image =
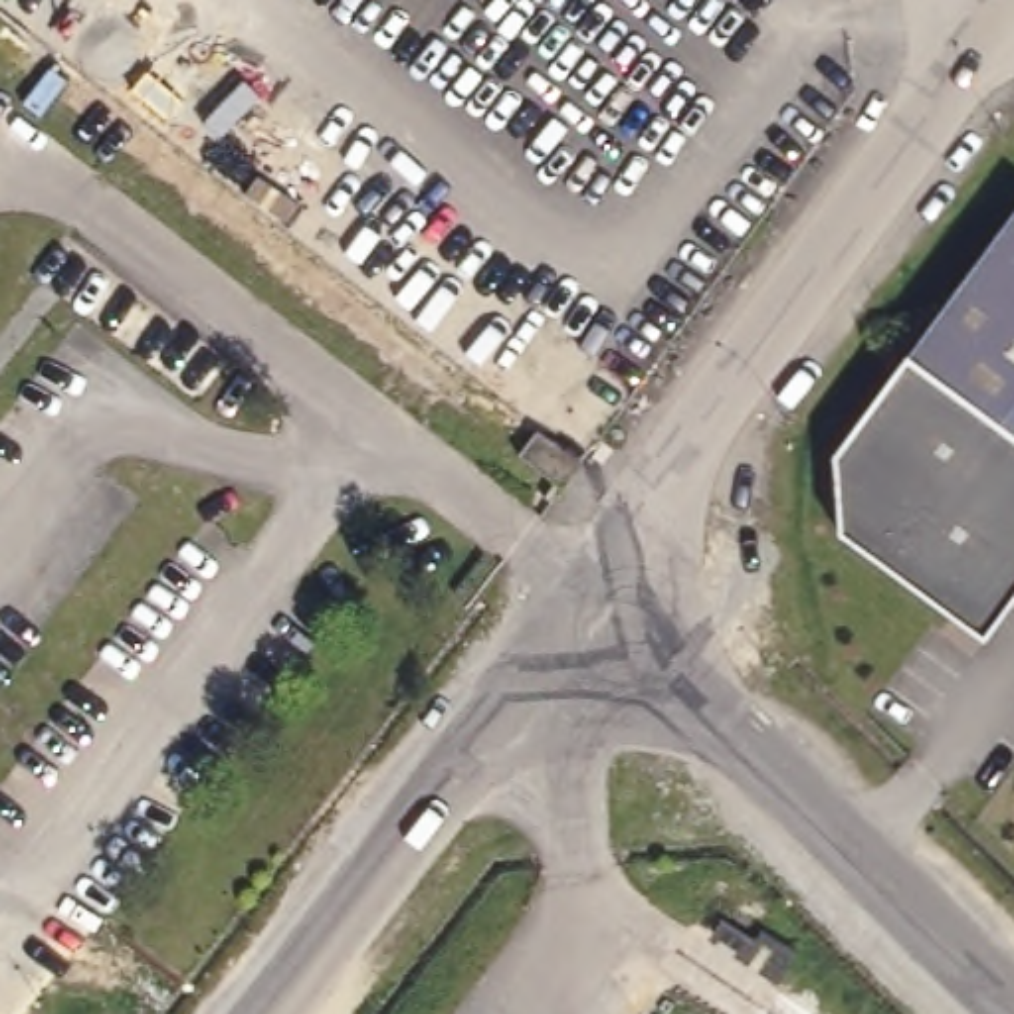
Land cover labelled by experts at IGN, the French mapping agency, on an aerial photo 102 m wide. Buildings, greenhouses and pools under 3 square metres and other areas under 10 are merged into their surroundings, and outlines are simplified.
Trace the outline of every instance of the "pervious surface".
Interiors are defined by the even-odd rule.
[[[990,804],[978,820],[1014,820],[1014,757],[986,784]]]

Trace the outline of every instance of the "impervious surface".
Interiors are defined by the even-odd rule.
[[[115,915],[119,903],[115,879],[143,860],[147,848],[154,848],[182,812],[178,792],[194,784],[194,764],[202,757],[226,757],[230,733],[238,725],[254,725],[261,701],[273,693],[281,673],[305,673],[313,658],[313,630],[293,610],[293,590],[301,574],[321,558],[325,543],[337,535],[337,515],[349,503],[356,503],[360,495],[416,499],[436,507],[456,531],[483,551],[507,562],[507,598],[499,622],[459,658],[456,673],[440,689],[436,709],[424,721],[416,721],[376,768],[349,768],[337,780],[337,788],[309,812],[309,832],[317,836],[309,856],[293,867],[293,879],[277,899],[273,915],[265,919],[265,927],[250,939],[250,947],[238,959],[230,959],[218,986],[190,1014],[353,1014],[364,1002],[364,994],[380,982],[380,970],[372,966],[376,939],[408,903],[416,883],[428,875],[436,852],[467,820],[479,816],[499,816],[527,832],[539,848],[543,879],[539,895],[527,907],[527,919],[456,1014],[820,1014],[816,994],[792,994],[776,982],[764,978],[761,966],[741,963],[725,943],[713,939],[709,927],[701,927],[677,923],[646,895],[638,895],[610,848],[606,780],[614,761],[626,753],[677,761],[701,788],[709,788],[705,804],[721,816],[725,832],[753,860],[768,863],[780,875],[780,883],[800,895],[804,911],[836,939],[836,947],[863,963],[871,978],[911,1014],[1014,1014],[1014,915],[951,852],[943,852],[923,832],[927,812],[935,812],[943,800],[943,788],[951,788],[963,776],[986,784],[1014,757],[1014,598],[1002,606],[990,630],[974,630],[959,614],[939,610],[935,602],[927,606],[943,618],[943,626],[935,626],[915,646],[903,669],[875,697],[875,713],[891,717],[915,741],[915,761],[899,768],[887,784],[867,784],[852,757],[824,729],[792,713],[788,705],[772,701],[780,646],[772,642],[776,618],[768,610],[768,586],[780,562],[780,547],[772,539],[768,444],[784,416],[808,392],[816,396],[856,349],[856,317],[875,301],[907,257],[923,261],[923,254],[939,238],[943,206],[931,202],[927,210],[915,210],[919,190],[927,190],[927,182],[935,178],[963,178],[966,166],[982,154],[982,143],[1006,123],[1014,123],[1014,0],[0,0],[0,40],[8,40],[32,59],[55,55],[55,99],[79,111],[71,135],[79,135],[79,143],[91,143],[91,154],[107,154],[123,143],[127,154],[135,154],[154,178],[170,182],[186,198],[190,214],[202,214],[238,242],[246,242],[257,254],[257,261],[269,265],[273,277],[281,277],[313,309],[345,325],[356,341],[372,345],[376,356],[384,364],[396,364],[416,388],[428,392],[432,404],[479,408],[491,420],[515,428],[511,448],[519,452],[535,436],[539,444],[555,444],[566,459],[578,459],[582,452],[594,456],[594,463],[606,475],[606,491],[590,491],[586,475],[574,475],[566,491],[551,491],[551,479],[535,475],[535,507],[527,511],[471,459],[448,448],[440,436],[432,436],[424,424],[416,424],[400,404],[380,396],[333,353],[325,353],[309,333],[293,329],[281,313],[257,301],[246,285],[238,285],[226,269],[202,257],[190,242],[182,242],[170,226],[147,214],[139,202],[131,202],[123,190],[107,186],[63,143],[48,139],[40,131],[44,115],[28,107],[28,99],[0,95],[0,214],[24,210],[59,222],[59,242],[48,242],[32,261],[32,273],[40,273],[32,297],[0,329],[0,372],[36,333],[44,313],[67,329],[59,353],[36,364],[32,380],[20,384],[24,400],[0,424],[0,681],[20,661],[24,646],[40,646],[40,626],[48,622],[48,614],[71,594],[87,562],[135,511],[135,495],[115,475],[107,475],[107,459],[162,459],[273,495],[273,515],[250,547],[234,547],[234,539],[222,531],[222,519],[210,515],[198,523],[194,539],[182,547],[174,562],[158,562],[158,578],[166,586],[154,586],[143,598],[143,606],[135,606],[135,618],[115,626],[115,638],[123,646],[107,646],[91,665],[87,681],[67,681],[63,697],[48,709],[48,717],[32,733],[24,733],[24,741],[12,753],[20,768],[12,768],[8,784],[0,788],[0,1014],[40,1014],[36,1002],[44,990],[59,994],[75,982],[131,990],[147,998],[154,1010],[170,1006],[166,990],[127,951],[95,951],[99,923]],[[166,364],[186,360],[186,384],[198,384],[202,372],[218,368],[218,388],[230,404],[242,404],[269,384],[285,396],[285,416],[273,416],[265,432],[214,428],[210,420],[174,404],[135,372],[135,360],[154,353]]]

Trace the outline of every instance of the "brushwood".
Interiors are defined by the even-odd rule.
[[[875,301],[856,317],[856,349],[883,349],[891,333],[891,309]]]
[[[420,697],[428,689],[424,669],[420,658],[408,650],[396,661],[392,685],[404,697]]]
[[[178,867],[154,848],[147,848],[143,860],[115,879],[119,903],[127,903],[139,915],[158,907],[162,887],[174,879]]]
[[[364,586],[372,570],[376,578],[396,582],[404,606],[440,606],[452,602],[463,582],[471,582],[483,551],[456,531],[444,562],[428,562],[424,570],[408,570],[392,551],[372,551],[368,558],[349,555],[341,574],[349,574],[356,586]]]

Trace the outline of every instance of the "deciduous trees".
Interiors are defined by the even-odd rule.
[[[313,658],[305,673],[281,673],[273,693],[261,701],[254,725],[238,725],[230,733],[226,757],[202,757],[194,764],[194,784],[206,780],[214,792],[230,792],[238,780],[265,776],[265,749],[281,733],[281,721],[301,725],[313,709],[329,701],[329,693],[349,677],[349,669],[376,658],[376,626],[353,602],[317,614],[313,630]]]

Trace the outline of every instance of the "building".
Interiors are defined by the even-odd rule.
[[[915,341],[911,356],[903,356],[891,368],[891,376],[879,384],[879,392],[867,400],[860,420],[832,452],[836,539],[927,606],[935,602],[939,610],[959,614],[974,630],[990,630],[1002,606],[1014,598],[1014,214],[1002,222],[982,257],[935,313],[927,333]]]
[[[772,927],[764,927],[764,919],[709,915],[701,927],[709,927],[713,939],[725,943],[741,963],[761,966],[764,978],[776,982],[792,963],[792,951]]]
[[[586,475],[590,491],[606,491],[606,475],[594,463],[594,456],[582,452],[578,459],[566,459],[555,444],[539,444],[535,436],[519,452],[519,459],[531,463],[535,475],[551,479],[551,491],[566,491],[574,475]]]

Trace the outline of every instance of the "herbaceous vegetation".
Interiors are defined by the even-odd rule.
[[[871,978],[863,963],[836,947],[836,939],[804,911],[800,895],[780,883],[780,875],[768,863],[753,860],[725,832],[721,816],[705,804],[709,788],[701,788],[677,761],[626,753],[614,761],[606,780],[610,848],[638,895],[646,895],[677,923],[701,927],[709,915],[764,919],[764,927],[772,927],[792,951],[792,963],[776,982],[792,994],[816,994],[820,1014],[911,1014]]]
[[[158,907],[139,915],[127,903],[119,903],[115,915],[99,923],[95,951],[127,951],[166,990],[170,1006],[154,1010],[147,998],[131,990],[75,982],[59,994],[44,990],[36,1002],[40,1014],[190,1014],[218,986],[230,959],[238,959],[250,947],[250,939],[265,927],[265,919],[273,915],[277,899],[293,879],[293,867],[309,856],[317,836],[309,832],[309,812],[337,788],[337,780],[349,768],[376,768],[416,721],[424,721],[436,709],[440,689],[456,673],[459,658],[499,622],[507,598],[507,562],[483,551],[471,582],[463,582],[452,602],[440,606],[404,606],[396,582],[376,578],[372,570],[364,586],[356,586],[349,574],[341,574],[349,555],[368,558],[372,551],[392,551],[408,570],[424,570],[428,562],[444,562],[456,531],[436,507],[416,499],[360,495],[356,503],[349,503],[337,515],[337,535],[325,543],[321,558],[301,574],[293,590],[293,610],[313,630],[317,614],[353,602],[376,626],[376,658],[349,669],[349,677],[329,693],[329,701],[313,709],[301,725],[281,721],[281,733],[265,749],[265,776],[238,780],[230,792],[214,792],[206,780],[194,784],[178,792],[182,812],[154,848],[178,867],[174,879],[162,887]],[[408,650],[420,658],[424,669],[428,689],[420,697],[404,697],[392,685],[396,661]]]
[[[875,713],[875,697],[903,669],[915,646],[935,626],[943,626],[943,618],[927,606],[836,539],[832,452],[860,420],[867,400],[879,392],[879,384],[891,376],[891,368],[903,356],[911,356],[915,341],[927,333],[935,313],[982,257],[1002,222],[1014,214],[1014,123],[1006,123],[982,143],[982,154],[966,166],[963,178],[935,178],[927,182],[927,190],[919,190],[915,210],[927,210],[931,202],[943,206],[939,238],[923,254],[923,261],[907,257],[875,301],[891,309],[891,333],[883,349],[856,349],[816,396],[808,392],[784,416],[768,444],[772,539],[780,547],[780,562],[768,586],[768,610],[776,618],[772,642],[780,646],[772,701],[788,705],[792,713],[824,729],[852,757],[867,784],[887,784],[899,768],[915,761],[915,741],[891,717]]]
[[[927,812],[923,832],[943,852],[951,852],[1014,915],[1014,820],[978,820],[990,804],[986,784],[963,776],[951,788],[943,788],[943,800],[935,812]]]
[[[230,404],[218,388],[218,368],[202,372],[198,384],[186,384],[186,360],[166,364],[154,353],[135,360],[135,372],[174,404],[210,420],[214,428],[265,432],[273,416],[285,416],[285,396],[269,384],[242,404]]]
[[[154,586],[166,586],[158,578],[158,562],[174,562],[182,547],[194,539],[198,523],[210,515],[222,519],[222,531],[234,539],[234,547],[250,547],[273,515],[273,495],[162,459],[107,459],[107,475],[115,475],[135,495],[135,511],[87,562],[71,594],[48,614],[48,622],[40,626],[40,646],[24,646],[20,661],[0,681],[0,788],[8,784],[12,768],[20,768],[12,753],[24,741],[24,733],[32,733],[48,717],[48,709],[63,697],[67,681],[87,681],[91,665],[107,646],[123,646],[115,638],[115,626],[135,618],[135,606],[143,606],[143,598]]]
[[[527,907],[539,895],[543,879],[539,848],[527,832],[499,816],[479,816],[467,820],[436,852],[428,875],[416,883],[408,903],[376,939],[372,966],[380,970],[380,982],[364,994],[364,1002],[353,1014],[456,1014],[527,919]]]
[[[107,186],[123,190],[131,202],[139,202],[147,214],[170,226],[182,242],[190,242],[202,257],[226,269],[238,285],[246,285],[257,301],[281,313],[293,329],[309,333],[325,353],[333,353],[380,396],[400,404],[416,424],[424,424],[432,436],[440,436],[448,448],[471,459],[527,511],[535,507],[535,475],[531,463],[519,459],[519,452],[511,448],[515,428],[491,420],[479,408],[432,404],[428,392],[416,388],[396,364],[384,364],[376,356],[372,345],[356,341],[345,325],[313,309],[281,277],[273,277],[269,265],[257,261],[257,254],[246,242],[238,242],[202,214],[190,214],[186,198],[170,182],[154,178],[135,154],[127,154],[123,143],[107,154],[91,154],[91,143],[79,143],[79,135],[71,135],[79,111],[55,99],[55,55],[32,59],[8,40],[0,40],[0,95],[28,99],[28,107],[44,115],[40,131],[48,139],[63,143]]]
[[[32,273],[32,261],[48,242],[59,242],[59,222],[24,210],[0,214],[0,329],[32,297],[40,273]]]
[[[67,329],[44,313],[36,333],[0,372],[0,424],[24,400],[20,384],[32,380],[36,364],[59,353]]]

